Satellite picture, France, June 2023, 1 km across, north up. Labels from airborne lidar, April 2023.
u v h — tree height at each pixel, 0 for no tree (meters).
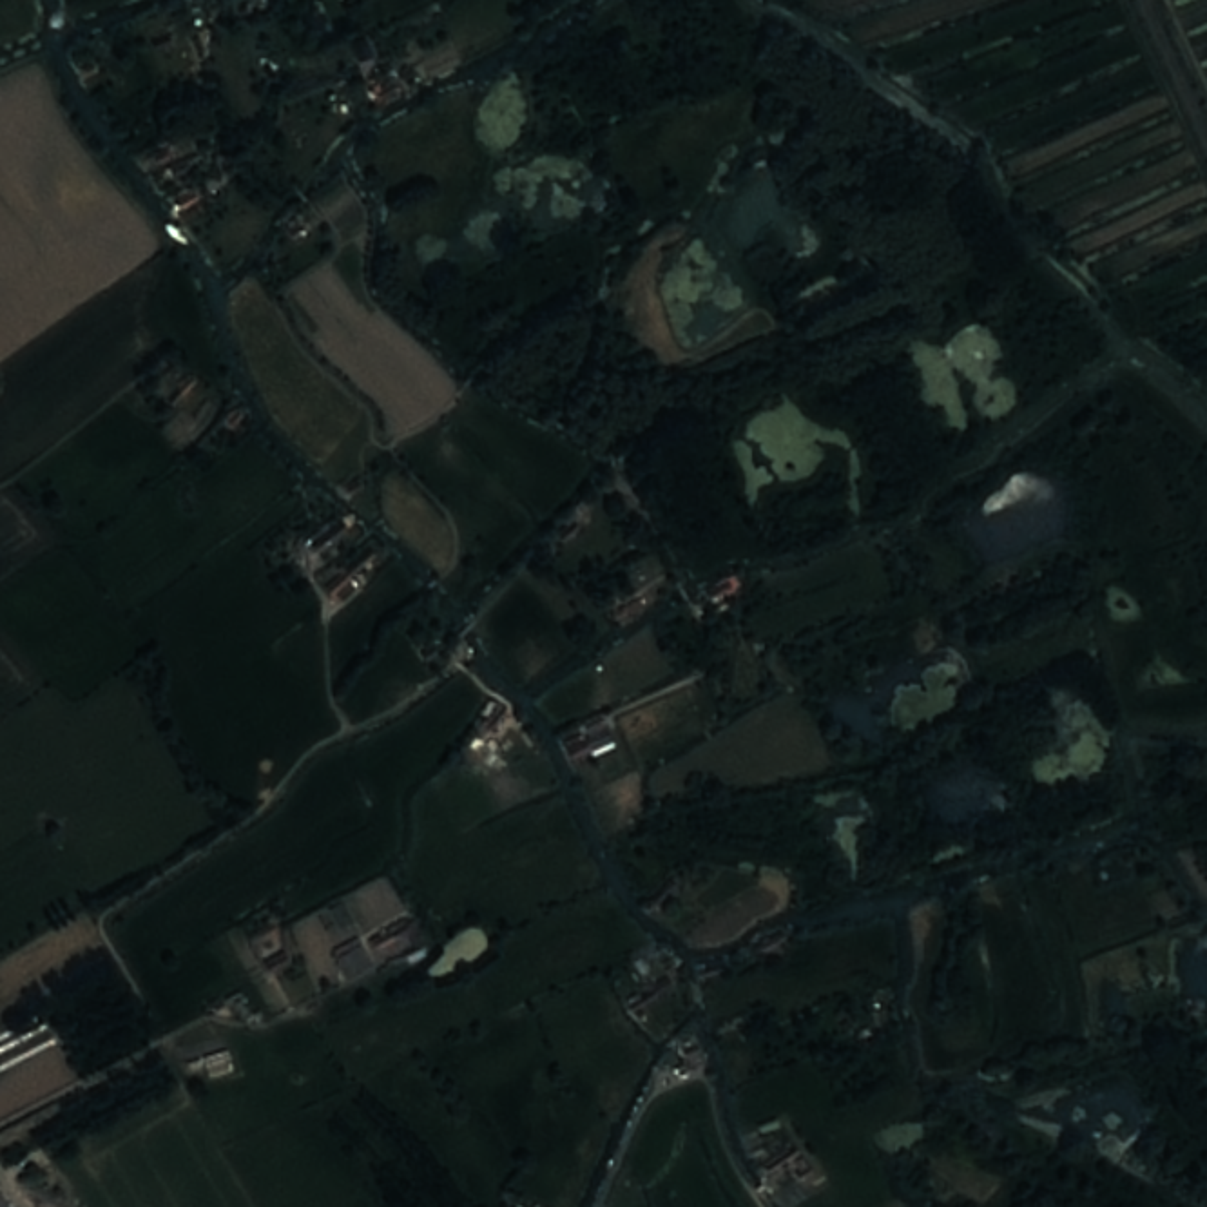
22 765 0
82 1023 18
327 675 0
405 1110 0
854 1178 0
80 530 0
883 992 0
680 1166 0
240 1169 0
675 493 37
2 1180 0
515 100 0
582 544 0
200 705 0
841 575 0
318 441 0
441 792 0
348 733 0
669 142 0
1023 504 0
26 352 0
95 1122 13
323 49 10
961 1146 0
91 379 0
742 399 10
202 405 0
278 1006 0
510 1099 0
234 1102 0
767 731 0
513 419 0
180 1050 0
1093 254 0
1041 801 19
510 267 6
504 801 0
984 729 7
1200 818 7
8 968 0
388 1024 0
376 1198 6
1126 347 0
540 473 0
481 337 8
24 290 0
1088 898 0
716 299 0
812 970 0
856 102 24
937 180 25
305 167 0
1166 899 0
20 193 0
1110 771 7
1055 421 0
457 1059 0
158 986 0
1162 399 0
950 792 0
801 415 0
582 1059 0
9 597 0
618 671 0
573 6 0
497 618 0
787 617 0
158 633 0
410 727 0
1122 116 0
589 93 12
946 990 14
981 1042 0
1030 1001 0
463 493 0
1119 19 0
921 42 0
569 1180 0
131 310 0
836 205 16
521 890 0
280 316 0
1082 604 15
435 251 0
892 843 16
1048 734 15
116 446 0
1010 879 0
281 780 0
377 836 0
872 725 0
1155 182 0
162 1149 0
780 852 7
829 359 23
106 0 0
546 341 24
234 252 0
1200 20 0
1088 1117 0
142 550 0
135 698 0
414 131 0
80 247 0
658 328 0
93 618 0
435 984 10
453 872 0
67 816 0
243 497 0
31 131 0
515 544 0
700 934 0
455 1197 10
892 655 0
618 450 10
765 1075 7
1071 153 0
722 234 0
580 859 0
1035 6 0
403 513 0
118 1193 0
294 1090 0
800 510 9
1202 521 0
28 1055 0
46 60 0
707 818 8
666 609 0
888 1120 0
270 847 0
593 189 0
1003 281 17
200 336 0
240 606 0
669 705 0
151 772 0
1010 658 0
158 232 0
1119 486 0
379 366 0
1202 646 0
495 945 10
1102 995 0
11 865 0
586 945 0
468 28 0
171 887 0
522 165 0
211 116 20
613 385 24
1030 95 0
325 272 0
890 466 17
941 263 22
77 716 0
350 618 0
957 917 11
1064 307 6
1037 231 16
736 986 0
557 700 0
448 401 0
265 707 0
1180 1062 7
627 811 0
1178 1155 6
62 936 0
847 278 11
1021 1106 0
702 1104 0
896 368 20
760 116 13
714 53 10
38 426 0
